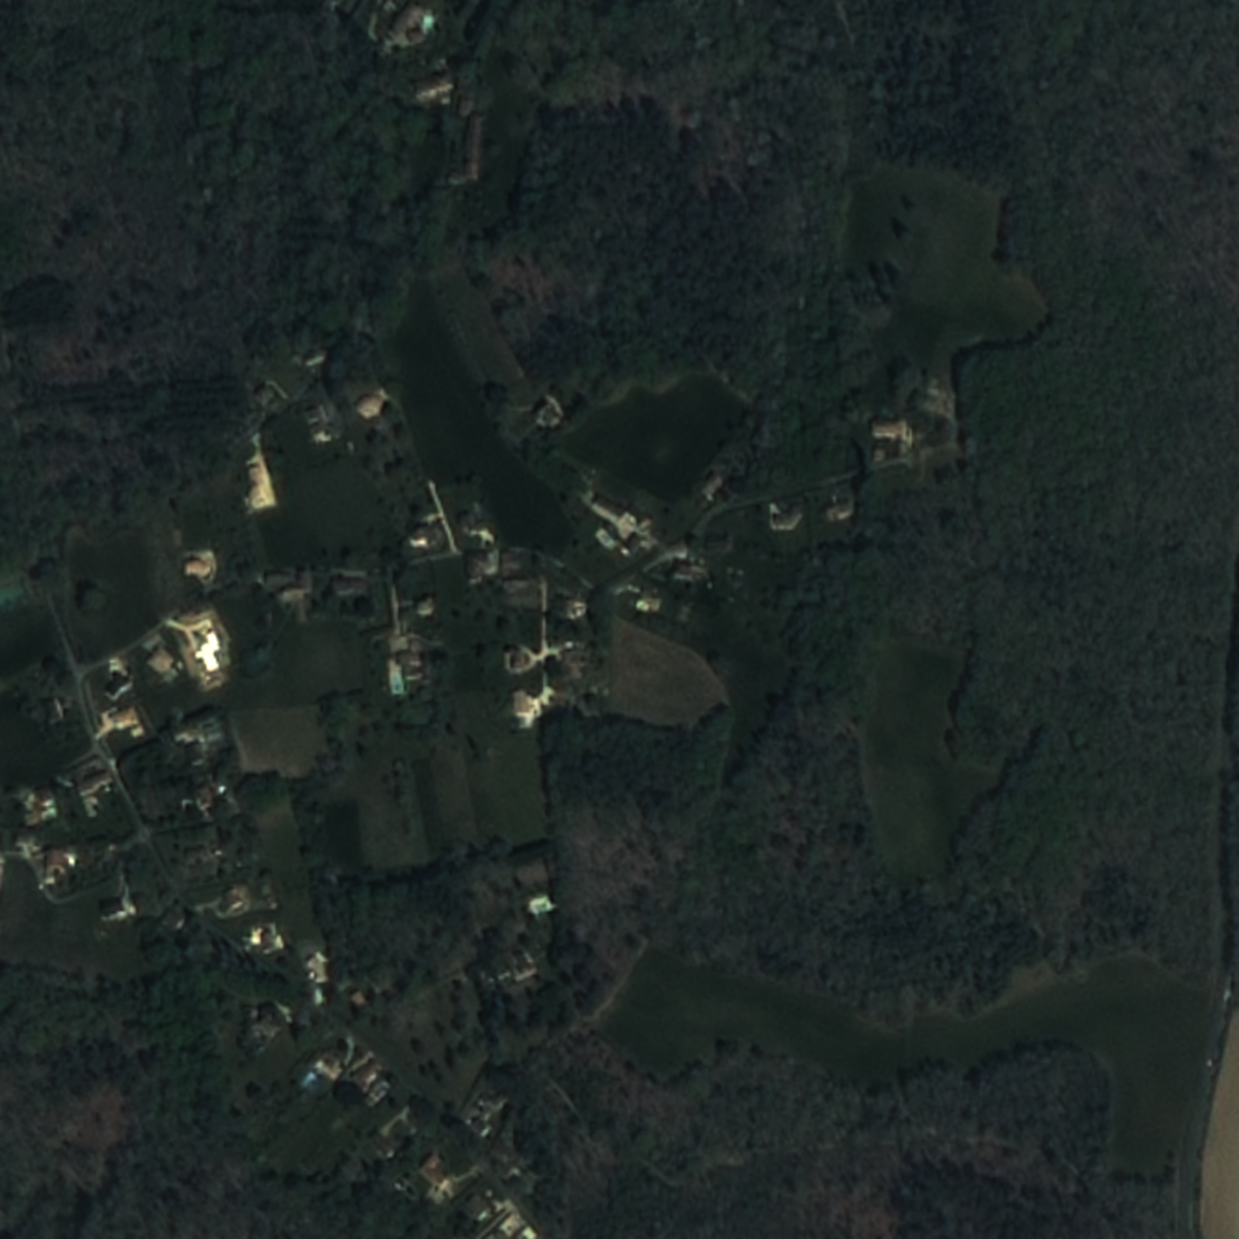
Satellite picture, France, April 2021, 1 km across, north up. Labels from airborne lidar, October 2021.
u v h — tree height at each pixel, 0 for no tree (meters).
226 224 18
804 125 27
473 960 11
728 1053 16
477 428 0
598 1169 13
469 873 18
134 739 0
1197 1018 0
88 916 0
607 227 16
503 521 0
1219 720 22
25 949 0
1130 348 25
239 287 18
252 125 22
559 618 6
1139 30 21
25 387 10
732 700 0
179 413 16
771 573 0
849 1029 0
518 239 20
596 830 22
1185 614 27
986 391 19
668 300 26
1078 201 17
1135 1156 0
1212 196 19
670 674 0
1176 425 22
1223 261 22
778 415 20
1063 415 26
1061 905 25
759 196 27
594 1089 7
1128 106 19
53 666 9
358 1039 0
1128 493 23
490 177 8
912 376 17
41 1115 19
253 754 0
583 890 20
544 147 13
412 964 13
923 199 0
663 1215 12
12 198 15
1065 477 21
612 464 0
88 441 16
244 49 23
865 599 20
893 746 0
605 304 14
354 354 20
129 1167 24
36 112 17
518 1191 14
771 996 0
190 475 17
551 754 16
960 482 22
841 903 20
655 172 29
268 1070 0
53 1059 20
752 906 15
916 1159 21
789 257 22
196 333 16
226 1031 10
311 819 9
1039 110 22
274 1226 24
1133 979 0
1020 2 28
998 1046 0
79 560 0
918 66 18
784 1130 27
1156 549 22
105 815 0
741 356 23
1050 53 34
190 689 0
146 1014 21
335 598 15
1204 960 20
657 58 20
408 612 8
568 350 26
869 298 14
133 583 0
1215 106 19
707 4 28
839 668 21
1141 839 23
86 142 22
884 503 8
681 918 19
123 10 21
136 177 19
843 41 7
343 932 9
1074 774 27
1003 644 27
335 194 23
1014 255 19
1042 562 20
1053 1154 20
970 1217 23
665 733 13
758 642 0
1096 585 26
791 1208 11
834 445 15
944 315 0
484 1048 21
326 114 25
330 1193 13
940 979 6
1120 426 24
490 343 0
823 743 19
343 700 12
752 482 10
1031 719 23
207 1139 18
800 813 14
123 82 23
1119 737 32
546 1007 9
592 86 28
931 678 0
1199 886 21
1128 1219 27
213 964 11
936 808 0
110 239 20
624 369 23
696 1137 17
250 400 12
